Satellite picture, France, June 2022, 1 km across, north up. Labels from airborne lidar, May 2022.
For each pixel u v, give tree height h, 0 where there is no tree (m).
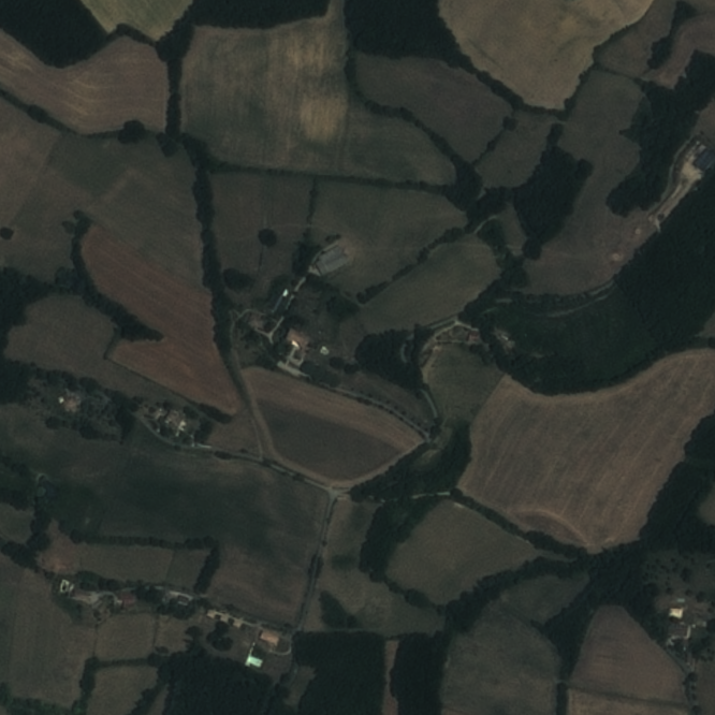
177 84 10
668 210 0
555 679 0
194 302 0
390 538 13
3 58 0
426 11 16
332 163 0
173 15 0
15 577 0
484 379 0
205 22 15
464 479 0
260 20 17
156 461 0
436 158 0
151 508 0
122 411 12
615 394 0
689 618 0
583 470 0
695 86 13
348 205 0
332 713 17
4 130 0
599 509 0
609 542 0
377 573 16
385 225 0
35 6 14
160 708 0
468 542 0
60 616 0
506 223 0
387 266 0
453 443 5
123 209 0
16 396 17
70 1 9
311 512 0
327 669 13
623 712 0
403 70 0
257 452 0
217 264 16
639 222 0
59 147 0
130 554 0
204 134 0
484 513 7
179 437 7
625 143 0
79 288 25
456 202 15
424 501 10
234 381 0
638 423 0
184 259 0
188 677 20
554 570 18
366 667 18
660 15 0
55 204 0
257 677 19
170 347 0
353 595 0
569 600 0
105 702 0
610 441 0
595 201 0
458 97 0
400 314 0
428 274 0
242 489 0
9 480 0
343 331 0
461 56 13
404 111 14
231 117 0
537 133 0
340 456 0
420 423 6
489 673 0
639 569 18
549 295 12
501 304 6
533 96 0
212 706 18
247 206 0
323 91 0
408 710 20
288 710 15
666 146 13
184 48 18
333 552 0
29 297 16
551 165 21
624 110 0
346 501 0
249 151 0
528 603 0
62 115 0
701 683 0
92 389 12
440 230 0
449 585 0
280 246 0
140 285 0
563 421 0
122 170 0
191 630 15
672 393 0
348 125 0
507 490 0
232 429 0
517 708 0
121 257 0
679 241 15
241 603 0
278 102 0
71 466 0
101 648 0
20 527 0
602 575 19
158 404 8
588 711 0
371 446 0
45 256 0
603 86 0
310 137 0
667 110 6
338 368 12
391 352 15
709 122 0
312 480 0
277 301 0
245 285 17
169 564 0
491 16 0
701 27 0
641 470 0
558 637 16
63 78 0
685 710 0
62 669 0
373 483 11
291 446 0
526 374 14
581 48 0
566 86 0
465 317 12
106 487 0
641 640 0
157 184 0
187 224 0
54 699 0
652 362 16
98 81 0
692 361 0
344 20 0
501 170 0
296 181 0
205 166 17
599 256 0
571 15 0
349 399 0
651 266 9
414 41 15
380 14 18
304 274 14
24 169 0
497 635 0
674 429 0
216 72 0
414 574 0
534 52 0
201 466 0
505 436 0
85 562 0
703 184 14
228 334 13
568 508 0
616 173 0
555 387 16
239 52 0
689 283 12
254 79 0
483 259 0
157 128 0
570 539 0
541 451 0
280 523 0
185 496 0
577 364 18
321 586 0
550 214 19
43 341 0
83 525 0
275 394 0
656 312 16
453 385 0
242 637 0
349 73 10
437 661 19
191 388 0
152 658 16
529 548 0
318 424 0
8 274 12
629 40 0
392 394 0
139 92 0
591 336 0
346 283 0
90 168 0
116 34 6
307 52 0
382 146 0
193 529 0
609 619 0
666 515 16
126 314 23
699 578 0
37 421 0
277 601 0
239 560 0
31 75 0
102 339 0
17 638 0
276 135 0
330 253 0
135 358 0
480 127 0
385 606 0
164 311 0
